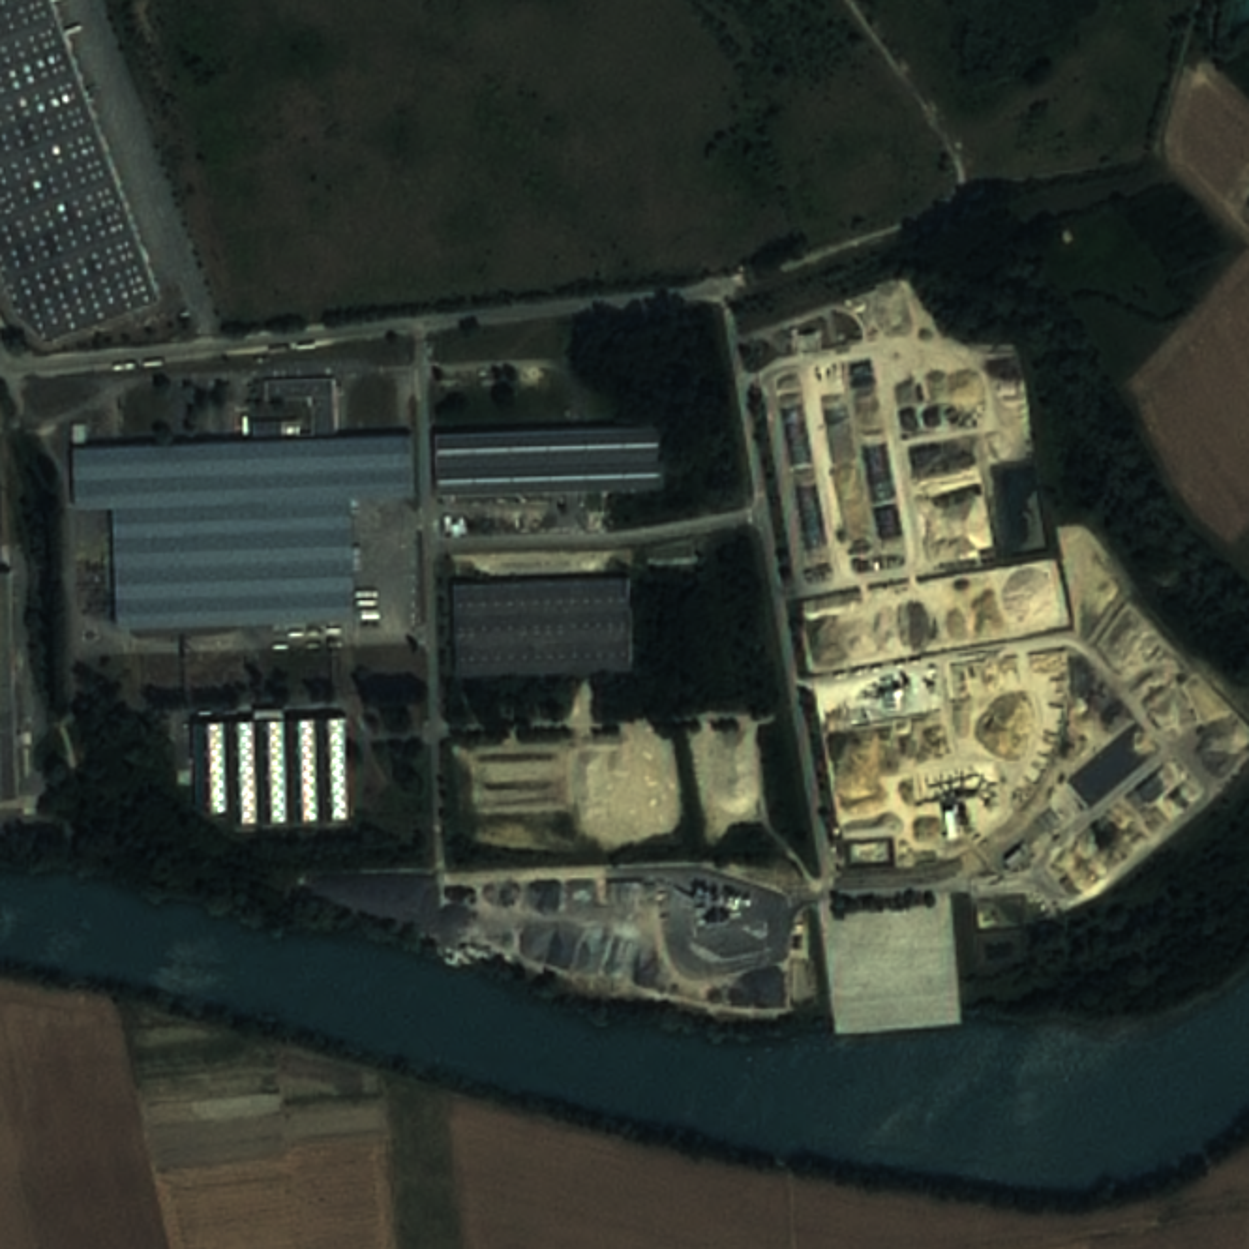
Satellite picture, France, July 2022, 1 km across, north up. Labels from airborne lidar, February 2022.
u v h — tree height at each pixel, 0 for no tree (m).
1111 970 14
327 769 0
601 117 0
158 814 17
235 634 0
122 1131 0
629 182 0
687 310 27
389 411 0
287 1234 0
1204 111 0
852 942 0
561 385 0
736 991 0
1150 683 0
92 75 0
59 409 0
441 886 0
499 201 0
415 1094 0
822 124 0
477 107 0
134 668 0
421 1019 0
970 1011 5
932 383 0
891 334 0
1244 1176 0
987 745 0
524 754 0
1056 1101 0
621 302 0
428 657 0
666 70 0
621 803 0
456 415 11
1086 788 0
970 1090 0
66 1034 0
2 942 0
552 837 0
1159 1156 0
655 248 0
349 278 0
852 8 0
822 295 0
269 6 0
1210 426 0
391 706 10
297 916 13
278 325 10
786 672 0
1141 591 0
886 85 0
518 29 0
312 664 0
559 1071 0
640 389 28
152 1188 0
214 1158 0
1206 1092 0
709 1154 12
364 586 0
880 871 0
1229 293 0
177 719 0
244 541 0
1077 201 0
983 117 0
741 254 0
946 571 0
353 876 0
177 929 0
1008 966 0
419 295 0
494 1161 0
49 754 0
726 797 0
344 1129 0
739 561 7
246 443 0
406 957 0
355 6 0
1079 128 0
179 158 0
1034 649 0
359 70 0
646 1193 0
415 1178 0
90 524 0
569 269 0
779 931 0
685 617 15
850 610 0
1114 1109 0
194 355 0
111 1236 0
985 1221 0
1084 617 0
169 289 0
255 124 0
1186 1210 0
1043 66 9
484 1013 0
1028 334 9
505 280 0
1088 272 0
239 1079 0
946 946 0
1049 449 0
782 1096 0
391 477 0
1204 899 13
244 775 0
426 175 0
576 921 0
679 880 0
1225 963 10
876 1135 0
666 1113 0
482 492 0
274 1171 0
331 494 0
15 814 0
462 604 0
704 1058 0
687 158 0
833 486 0
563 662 0
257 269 0
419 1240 0
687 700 15
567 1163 0
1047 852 0
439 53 0
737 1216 0
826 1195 0
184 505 0
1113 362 0
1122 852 0
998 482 0
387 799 0
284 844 17
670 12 0
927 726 0
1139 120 0
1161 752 0
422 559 0
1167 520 19
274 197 0
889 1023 0
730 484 23
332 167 0
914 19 0
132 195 0
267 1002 0
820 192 0
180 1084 0
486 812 0
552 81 0
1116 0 0
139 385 0
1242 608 9
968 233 32
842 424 0
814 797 0
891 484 0
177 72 0
